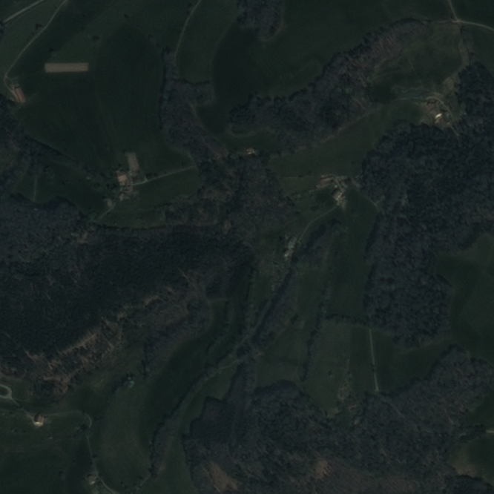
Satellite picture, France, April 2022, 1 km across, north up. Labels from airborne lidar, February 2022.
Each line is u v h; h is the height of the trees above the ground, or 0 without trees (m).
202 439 19
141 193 0
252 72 0
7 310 20
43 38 0
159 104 0
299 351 0
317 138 26
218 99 0
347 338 0
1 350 21
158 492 0
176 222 13
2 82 0
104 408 0
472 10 0
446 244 29
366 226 0
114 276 21
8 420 0
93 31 0
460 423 28
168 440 21
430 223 13
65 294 21
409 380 0
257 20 23
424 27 23
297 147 21
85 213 0
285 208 26
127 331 17
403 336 29
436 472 24
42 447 0
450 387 26
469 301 0
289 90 0
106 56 0
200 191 8
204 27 0
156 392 0
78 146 0
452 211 16
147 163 0
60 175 0
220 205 15
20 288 16
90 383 0
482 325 0
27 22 0
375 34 0
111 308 15
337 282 0
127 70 0
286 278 0
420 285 25
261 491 30
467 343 0
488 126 20
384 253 30
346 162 0
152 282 18
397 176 28
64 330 20
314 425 30
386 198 7
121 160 0
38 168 23
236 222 24
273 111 25
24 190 0
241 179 11
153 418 0
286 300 26
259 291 0
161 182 0
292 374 0
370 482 21
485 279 0
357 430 22
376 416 28
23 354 24
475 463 0
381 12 0
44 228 24
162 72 0
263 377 0
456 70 0
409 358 0
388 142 22
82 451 0
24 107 0
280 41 0
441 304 31
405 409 27
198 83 0
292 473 32
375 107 25
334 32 0
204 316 27
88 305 21
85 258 18
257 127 19
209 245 17
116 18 0
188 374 0
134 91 0
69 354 8
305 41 0
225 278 19
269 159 21
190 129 24
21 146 27
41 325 22
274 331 23
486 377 26
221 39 0
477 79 19
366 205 0
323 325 15
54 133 0
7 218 35
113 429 0
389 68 0
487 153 14
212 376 14
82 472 0
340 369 0
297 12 0
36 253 20
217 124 0
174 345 28
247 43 0
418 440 29
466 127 22
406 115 0
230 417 20
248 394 18
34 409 0
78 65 0
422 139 15
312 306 0
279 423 27
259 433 22
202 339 0
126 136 0
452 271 0
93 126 0
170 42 0
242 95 0
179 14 0
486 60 0
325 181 0
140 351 0
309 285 0
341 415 7
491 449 0
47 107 0
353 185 20
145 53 0
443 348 0
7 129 24
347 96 27
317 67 0
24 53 0
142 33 0
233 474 26
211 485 24
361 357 0
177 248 24
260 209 30
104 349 28
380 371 0
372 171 8
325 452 25
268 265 0
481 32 0
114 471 0
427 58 0
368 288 0
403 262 28
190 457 22
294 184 0
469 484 28
